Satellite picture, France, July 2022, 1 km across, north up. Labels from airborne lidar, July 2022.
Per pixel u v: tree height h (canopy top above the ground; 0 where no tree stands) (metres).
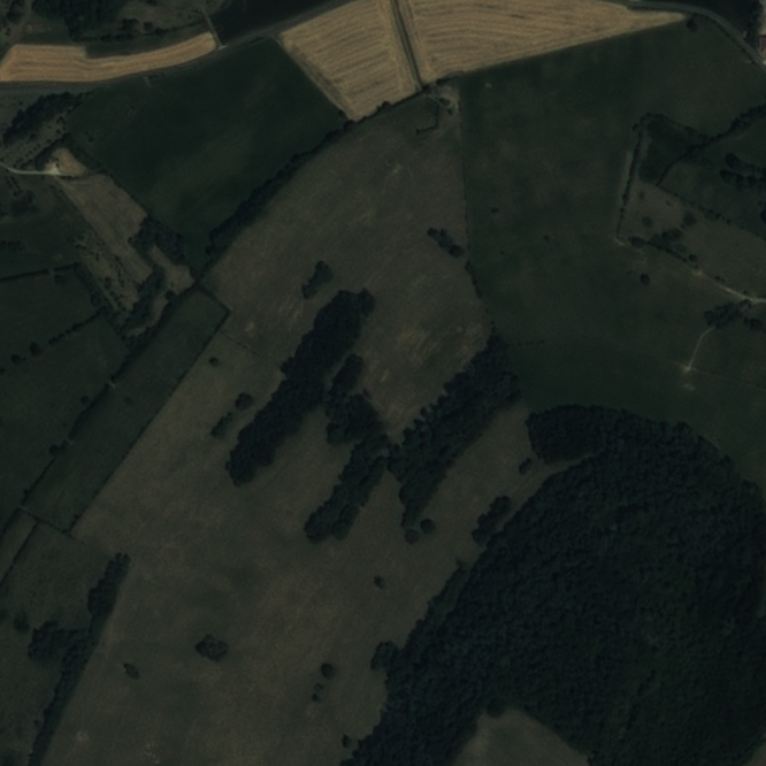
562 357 0
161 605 0
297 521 0
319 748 0
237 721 0
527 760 0
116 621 0
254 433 18
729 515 28
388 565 0
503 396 10
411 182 0
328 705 0
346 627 0
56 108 15
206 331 0
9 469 0
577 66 0
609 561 16
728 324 11
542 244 0
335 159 0
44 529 0
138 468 0
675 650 10
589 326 0
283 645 0
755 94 0
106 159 0
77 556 0
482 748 0
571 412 17
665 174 6
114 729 0
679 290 0
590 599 21
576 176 0
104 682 0
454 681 22
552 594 9
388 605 0
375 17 0
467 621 18
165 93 0
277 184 11
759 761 0
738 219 0
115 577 12
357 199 0
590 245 0
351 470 15
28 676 0
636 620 23
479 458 0
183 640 0
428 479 9
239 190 0
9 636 0
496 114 0
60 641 19
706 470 22
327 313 17
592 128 0
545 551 15
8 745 0
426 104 0
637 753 10
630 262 0
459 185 0
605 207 0
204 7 0
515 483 0
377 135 0
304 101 0
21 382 0
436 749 27
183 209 0
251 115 0
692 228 0
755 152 0
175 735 0
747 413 0
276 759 0
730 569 17
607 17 0
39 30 0
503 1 0
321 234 0
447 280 0
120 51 0
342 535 6
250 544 0
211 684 0
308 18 0
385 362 0
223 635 0
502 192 0
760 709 14
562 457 9
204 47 0
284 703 0
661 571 21
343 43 0
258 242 0
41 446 0
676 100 0
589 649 19
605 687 20
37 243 0
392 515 0
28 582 0
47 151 10
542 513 12
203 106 0
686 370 0
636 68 0
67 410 0
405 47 0
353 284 0
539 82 0
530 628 17
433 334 0
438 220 0
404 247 0
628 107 0
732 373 0
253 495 0
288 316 0
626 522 14
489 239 0
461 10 0
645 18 0
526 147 0
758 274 0
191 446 0
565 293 0
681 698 11
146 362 0
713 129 0
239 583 0
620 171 0
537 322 0
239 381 0
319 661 0
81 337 0
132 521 0
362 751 9
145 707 0
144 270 0
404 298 0
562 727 19
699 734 12
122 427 0
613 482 14
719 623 12
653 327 0
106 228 0
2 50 0
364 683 0
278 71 0
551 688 25
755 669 13
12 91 0
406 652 8
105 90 0
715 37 0
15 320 0
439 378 0
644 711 24
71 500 0
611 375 0
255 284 0
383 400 0
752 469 0
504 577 20
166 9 0
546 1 0
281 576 0
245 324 0
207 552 0
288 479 0
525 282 0
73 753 0
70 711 0
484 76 0
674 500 23
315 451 0
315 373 17
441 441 21
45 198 0
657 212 0
